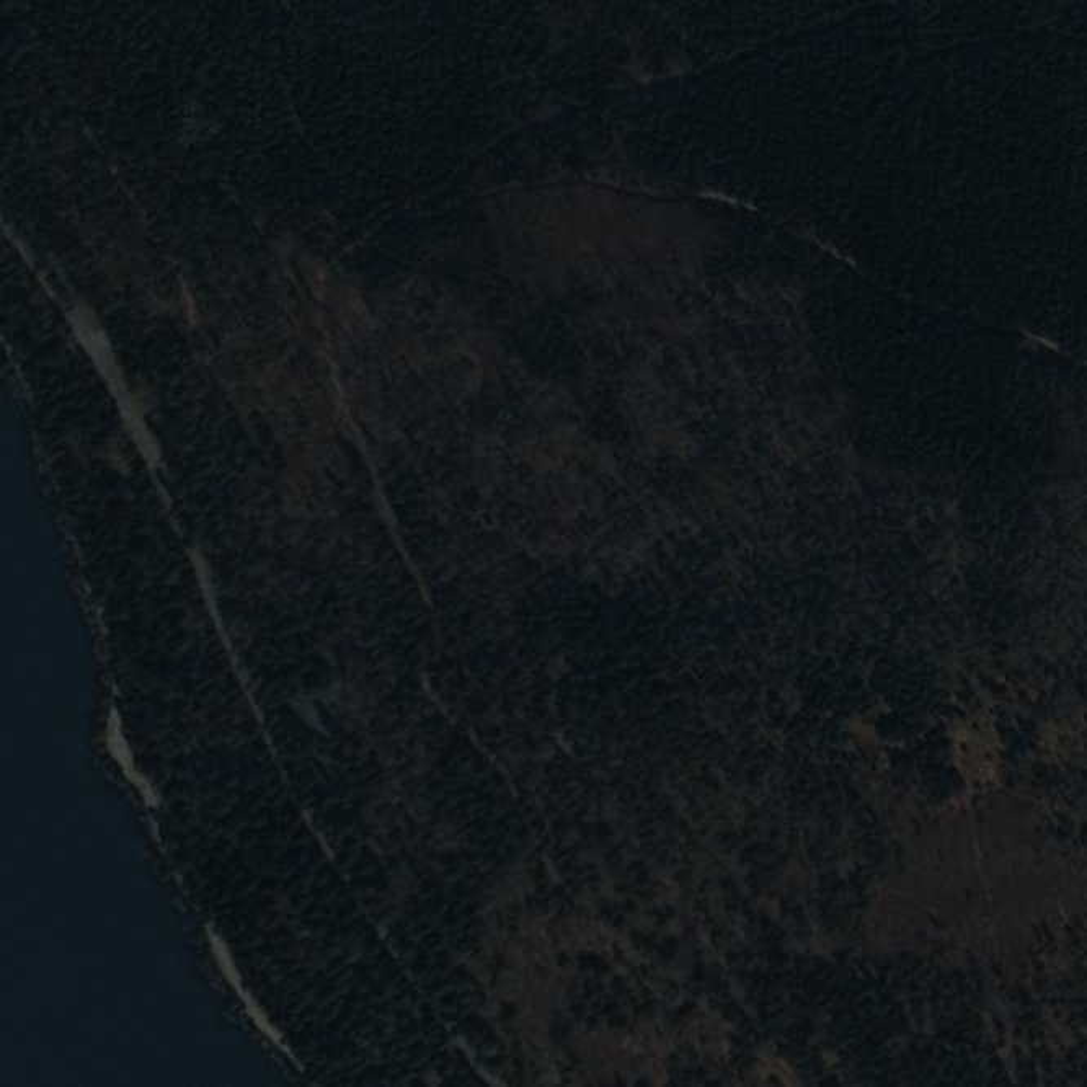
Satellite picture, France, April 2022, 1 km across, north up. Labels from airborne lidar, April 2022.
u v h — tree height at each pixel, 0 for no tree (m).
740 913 13
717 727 7
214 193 29
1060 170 23
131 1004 0
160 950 0
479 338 16
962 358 22
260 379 29
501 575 26
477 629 32
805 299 14
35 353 25
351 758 45
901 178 30
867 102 30
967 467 14
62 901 0
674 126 24
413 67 25
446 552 25
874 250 27
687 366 30
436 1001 30
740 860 14
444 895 9
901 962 10
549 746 22
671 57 23
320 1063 27
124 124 22
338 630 30
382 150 31
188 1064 0
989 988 10
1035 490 15
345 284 20
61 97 32
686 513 26
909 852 13
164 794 9
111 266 10
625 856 36
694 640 27
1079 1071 34
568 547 26
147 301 25
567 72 26
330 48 26
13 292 20
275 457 10
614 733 25
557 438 12
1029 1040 17
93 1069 0
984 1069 23
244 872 18
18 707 0
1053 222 27
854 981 33
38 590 0
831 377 19
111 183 32
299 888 38
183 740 38
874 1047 36
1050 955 8
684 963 31
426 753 24
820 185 25
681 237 15
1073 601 27
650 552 10
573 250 15
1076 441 17
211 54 24
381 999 36
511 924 14
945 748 18
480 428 12
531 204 18
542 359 12
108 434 26
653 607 25
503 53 26
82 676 0
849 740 10
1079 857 7
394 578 33
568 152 19
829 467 10
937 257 25
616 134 15
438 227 23
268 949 42
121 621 10
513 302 21
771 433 33
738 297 7
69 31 24
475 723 19
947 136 28
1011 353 22
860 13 19
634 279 16
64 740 0
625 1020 8
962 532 13
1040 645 27
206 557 19
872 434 14
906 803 12
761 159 27
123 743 0
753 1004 10
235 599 19
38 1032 0
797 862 15
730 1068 8
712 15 32
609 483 14
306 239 17
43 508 0
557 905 37
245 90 30
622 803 24
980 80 28
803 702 11
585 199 16
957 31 19
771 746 10
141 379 17
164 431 18
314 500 10
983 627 13
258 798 33
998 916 10
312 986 36
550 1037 12
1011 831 10
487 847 32
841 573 31
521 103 30
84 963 0
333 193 30
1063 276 26
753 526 13
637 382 26
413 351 14
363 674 28
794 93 28
